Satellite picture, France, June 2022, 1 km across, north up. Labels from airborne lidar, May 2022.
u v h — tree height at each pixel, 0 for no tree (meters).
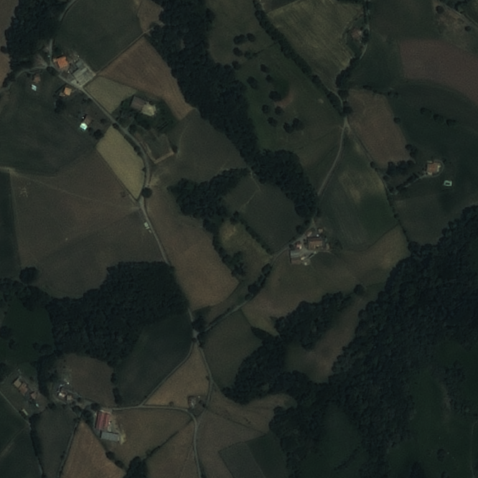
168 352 0
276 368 16
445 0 12
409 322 13
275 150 0
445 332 16
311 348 12
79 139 0
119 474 0
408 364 11
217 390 0
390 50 0
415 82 0
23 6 20
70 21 0
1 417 0
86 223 0
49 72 10
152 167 0
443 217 0
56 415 0
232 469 0
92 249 0
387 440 14
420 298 21
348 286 0
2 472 0
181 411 0
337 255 0
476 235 18
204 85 21
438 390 0
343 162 0
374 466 9
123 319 22
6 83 8
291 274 0
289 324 17
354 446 0
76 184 0
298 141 0
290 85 0
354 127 0
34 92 0
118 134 0
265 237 0
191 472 0
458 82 0
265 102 0
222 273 0
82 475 0
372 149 0
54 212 0
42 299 16
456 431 0
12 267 0
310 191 24
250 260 0
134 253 0
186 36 20
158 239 0
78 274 0
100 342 28
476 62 0
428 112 16
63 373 0
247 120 23
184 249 0
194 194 21
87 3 0
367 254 0
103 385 0
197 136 0
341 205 0
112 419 0
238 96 25
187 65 19
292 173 27
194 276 0
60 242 0
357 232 0
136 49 0
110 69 0
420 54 0
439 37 0
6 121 0
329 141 0
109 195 0
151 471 0
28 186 0
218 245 9
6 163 0
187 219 0
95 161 0
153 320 15
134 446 0
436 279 32
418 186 0
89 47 0
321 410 17
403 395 15
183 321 0
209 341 0
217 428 0
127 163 0
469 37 0
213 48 0
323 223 0
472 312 18
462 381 8
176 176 0
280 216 0
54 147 0
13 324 0
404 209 0
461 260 22
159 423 0
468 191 0
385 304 34
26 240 0
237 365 0
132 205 0
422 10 0
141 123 12
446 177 0
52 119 0
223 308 0
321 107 0
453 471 0
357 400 35
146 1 0
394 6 0
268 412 0
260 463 0
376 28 0
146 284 19
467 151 0
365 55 0
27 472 0
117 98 0
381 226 0
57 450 0
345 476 0
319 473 0
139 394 0
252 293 19
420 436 0
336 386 12
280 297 0
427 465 0
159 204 0
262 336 14
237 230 0
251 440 0
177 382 0
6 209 0
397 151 0
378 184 0
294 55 20
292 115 0
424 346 8
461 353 0
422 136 0
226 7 0
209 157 0
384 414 22
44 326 0
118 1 0
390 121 0
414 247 20
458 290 16
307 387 15
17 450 0
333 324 18
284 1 0
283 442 14
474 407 0
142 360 0
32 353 0
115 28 0
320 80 12
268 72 23
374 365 18
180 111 0
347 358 15
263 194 0
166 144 0
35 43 22
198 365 0
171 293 16
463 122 0
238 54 21
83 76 0
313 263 0
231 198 0
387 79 0
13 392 0
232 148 0
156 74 0
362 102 0
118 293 18
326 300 16
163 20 16
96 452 0
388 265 0
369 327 24
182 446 0
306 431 17
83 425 0
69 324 26
